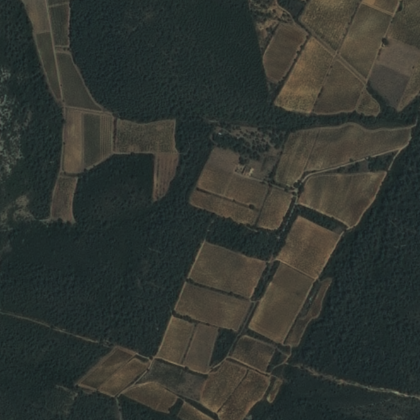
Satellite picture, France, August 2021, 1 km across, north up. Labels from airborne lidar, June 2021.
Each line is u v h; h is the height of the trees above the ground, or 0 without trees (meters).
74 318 11
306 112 0
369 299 10
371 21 0
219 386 0
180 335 0
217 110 11
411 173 12
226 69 8
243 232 12
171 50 9
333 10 0
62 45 0
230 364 0
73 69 0
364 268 9
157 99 8
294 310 0
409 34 0
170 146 0
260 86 6
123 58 7
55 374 10
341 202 0
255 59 5
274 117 9
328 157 0
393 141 0
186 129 9
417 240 8
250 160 7
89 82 12
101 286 7
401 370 8
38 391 6
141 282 8
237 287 0
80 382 0
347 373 9
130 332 7
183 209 9
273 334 0
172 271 12
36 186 9
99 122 0
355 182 0
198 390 0
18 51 11
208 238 8
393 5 0
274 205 0
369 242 12
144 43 9
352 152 0
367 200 0
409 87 0
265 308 0
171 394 0
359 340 7
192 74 11
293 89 0
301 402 10
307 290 0
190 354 0
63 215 0
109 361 0
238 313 0
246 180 0
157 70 11
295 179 0
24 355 10
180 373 0
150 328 9
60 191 0
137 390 0
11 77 7
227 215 0
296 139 0
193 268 0
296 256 0
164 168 0
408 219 6
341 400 0
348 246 11
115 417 7
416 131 15
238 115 13
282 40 0
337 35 0
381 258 14
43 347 11
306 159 0
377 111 0
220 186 0
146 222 8
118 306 10
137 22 12
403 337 9
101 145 0
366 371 10
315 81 0
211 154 0
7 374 7
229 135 11
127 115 12
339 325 7
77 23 11
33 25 0
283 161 0
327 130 0
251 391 0
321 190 0
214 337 0
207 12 5
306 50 0
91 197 10
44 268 10
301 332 0
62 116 14
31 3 0
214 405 0
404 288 11
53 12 0
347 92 0
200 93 14
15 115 7
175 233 8
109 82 9
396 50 0
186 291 0
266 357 0
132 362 0
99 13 13
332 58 0
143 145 0
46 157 10
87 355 10
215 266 0
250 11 9
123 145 0
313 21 0
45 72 0
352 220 0
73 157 0
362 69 0
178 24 6
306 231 0
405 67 0
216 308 0
